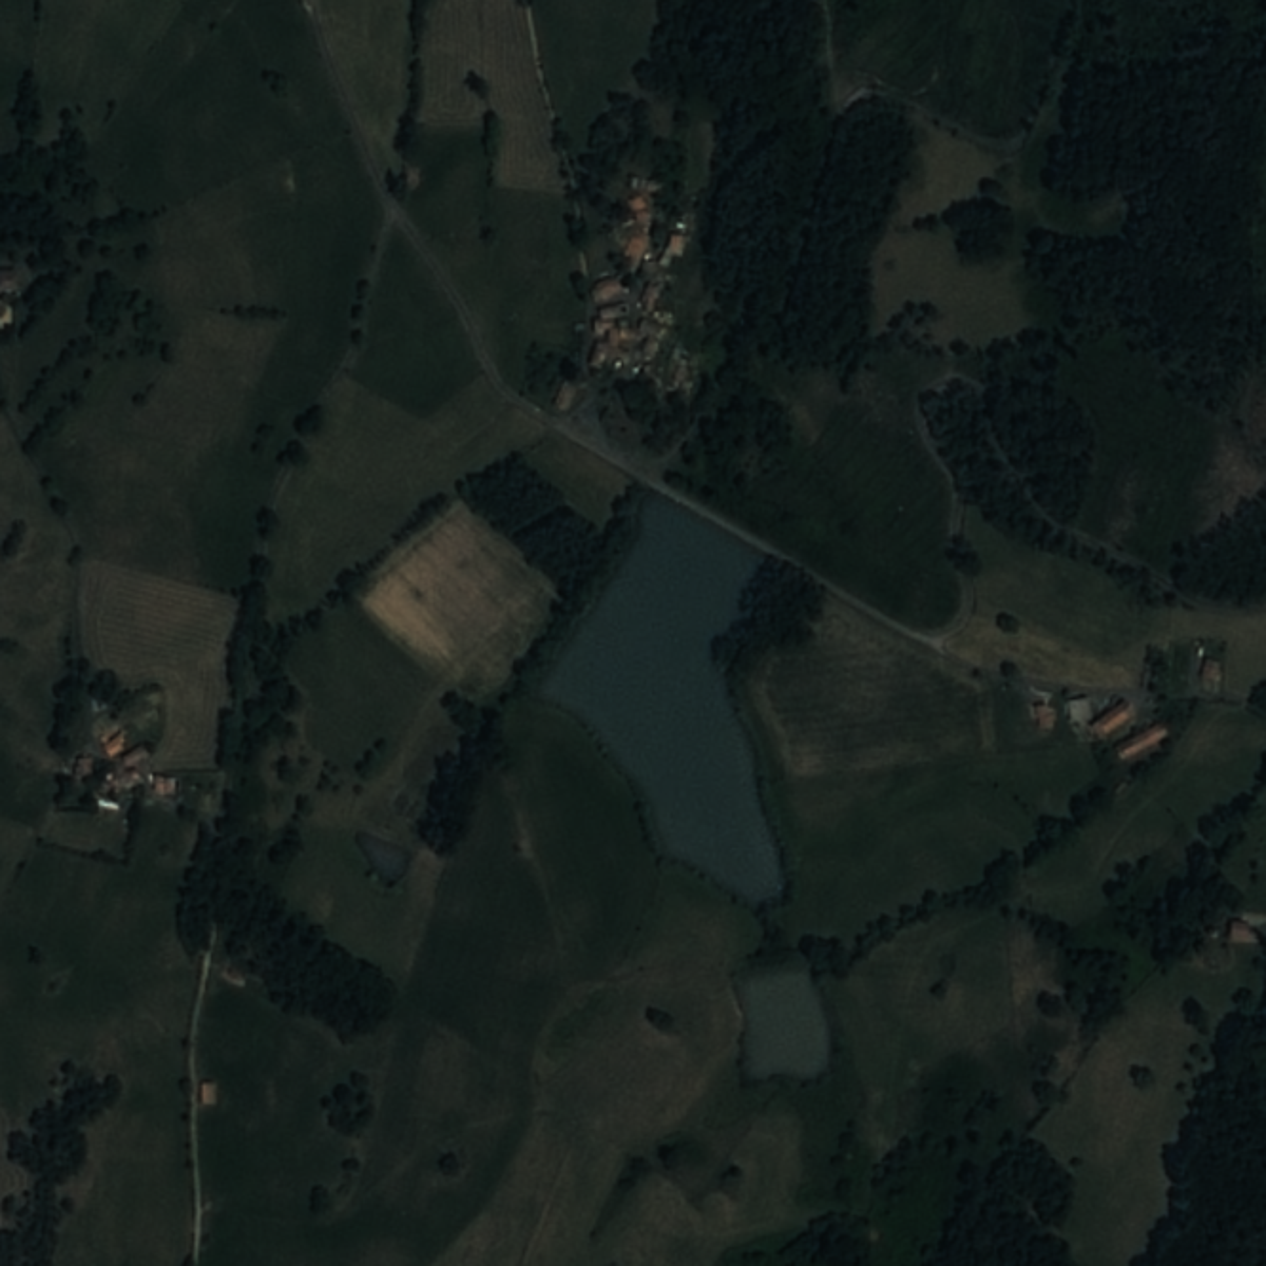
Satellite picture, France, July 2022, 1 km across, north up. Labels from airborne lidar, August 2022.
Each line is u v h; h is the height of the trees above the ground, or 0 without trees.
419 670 0
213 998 0
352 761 0
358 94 0
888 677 0
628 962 0
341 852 0
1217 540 17
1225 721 0
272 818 0
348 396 0
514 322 0
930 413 15
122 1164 0
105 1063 0
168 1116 0
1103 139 22
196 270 0
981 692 0
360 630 0
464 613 0
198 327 0
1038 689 0
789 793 0
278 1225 0
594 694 0
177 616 0
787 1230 0
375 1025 18
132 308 10
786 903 7
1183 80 20
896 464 0
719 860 0
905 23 0
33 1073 0
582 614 14
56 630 0
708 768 0
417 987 0
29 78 11
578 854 0
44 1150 8
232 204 0
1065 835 22
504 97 0
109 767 7
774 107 7
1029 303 0
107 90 0
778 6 24
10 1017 0
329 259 0
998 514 19
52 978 0
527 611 0
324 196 0
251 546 0
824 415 0
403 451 0
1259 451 0
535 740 0
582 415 0
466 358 0
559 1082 0
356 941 0
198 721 0
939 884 0
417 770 0
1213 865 14
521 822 0
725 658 16
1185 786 0
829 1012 0
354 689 0
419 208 0
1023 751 0
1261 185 16
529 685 9
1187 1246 23
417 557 0
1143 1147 0
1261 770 0
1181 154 20
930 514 0
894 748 0
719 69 32
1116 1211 0
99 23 0
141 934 0
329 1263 0
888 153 12
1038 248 18
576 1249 0
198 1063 0
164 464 0
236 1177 0
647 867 0
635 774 0
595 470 0
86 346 7
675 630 0
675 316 0
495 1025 0
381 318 0
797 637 19
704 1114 0
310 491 0
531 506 19
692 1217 0
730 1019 0
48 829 0
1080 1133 0
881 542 0
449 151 0
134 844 7
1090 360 0
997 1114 14
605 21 0
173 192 0
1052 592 0
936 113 0
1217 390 18
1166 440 0
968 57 0
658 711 0
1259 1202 20
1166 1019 0
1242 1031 24
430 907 0
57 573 0
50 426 11
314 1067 0
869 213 13
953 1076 0
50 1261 10
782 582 20
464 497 12
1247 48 16
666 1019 13
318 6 0
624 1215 0
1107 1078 0
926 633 0
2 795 0
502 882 0
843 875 0
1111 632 0
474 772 21
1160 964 13
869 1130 0
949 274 0
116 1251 0
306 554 0
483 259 0
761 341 19
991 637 0
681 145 8
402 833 0
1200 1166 20
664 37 16
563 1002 0
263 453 9
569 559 16
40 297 14
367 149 0
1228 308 17
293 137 0
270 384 0
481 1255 0
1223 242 19
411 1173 0
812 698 0
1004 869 14
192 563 0
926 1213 0
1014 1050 0
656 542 0
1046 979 0
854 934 0
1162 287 24
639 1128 0
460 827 21
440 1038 0
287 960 17
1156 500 0
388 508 0
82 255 11
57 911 0
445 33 0
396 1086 0
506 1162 0
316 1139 0
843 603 0
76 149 15
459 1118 0
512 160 0
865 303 11
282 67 0
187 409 0
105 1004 0
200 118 0
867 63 0
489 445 0
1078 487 20
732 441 7
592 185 15
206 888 14
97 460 0
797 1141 0
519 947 0
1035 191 0
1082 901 0
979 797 0
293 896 0
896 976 0
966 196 0
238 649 16
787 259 31
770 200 31
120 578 0
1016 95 0
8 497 0
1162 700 8
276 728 20
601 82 0
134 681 0
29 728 0
